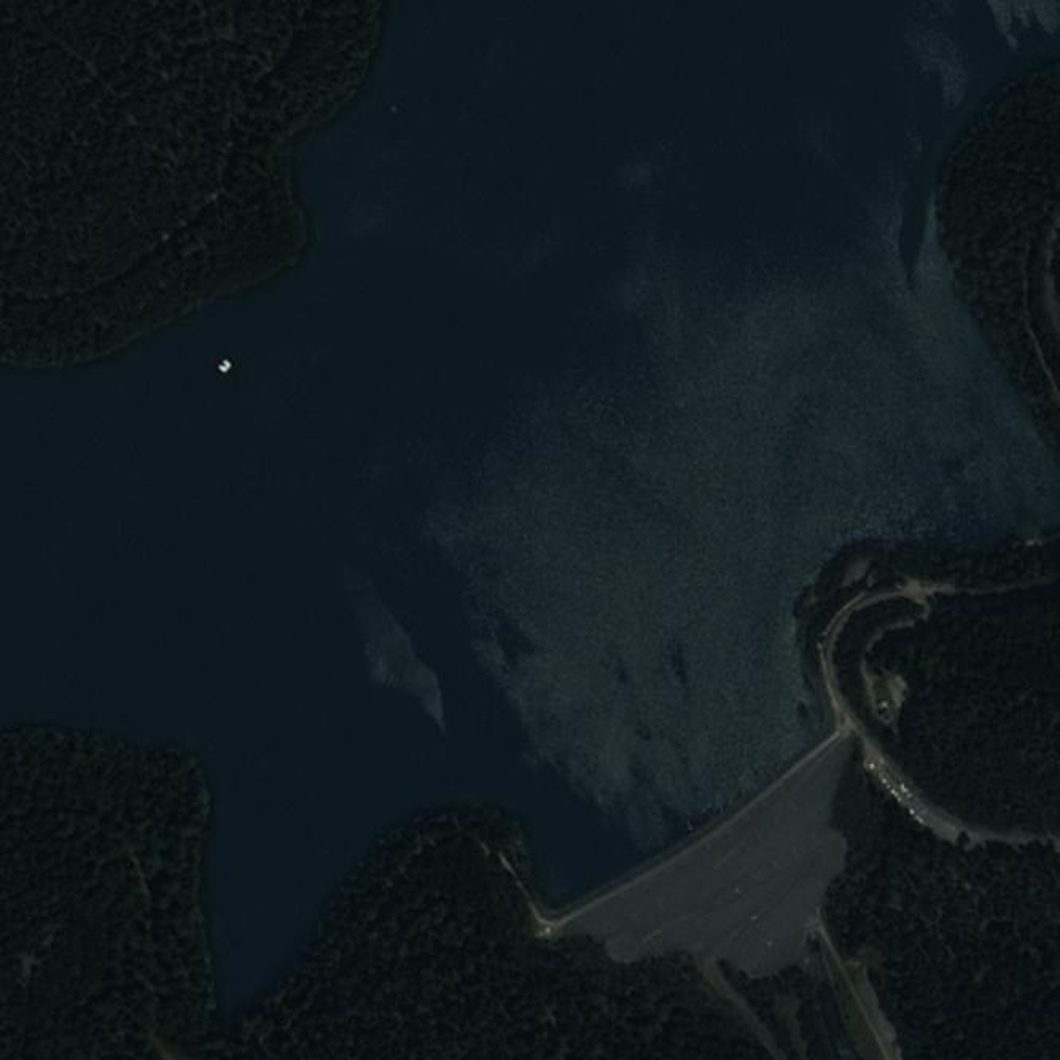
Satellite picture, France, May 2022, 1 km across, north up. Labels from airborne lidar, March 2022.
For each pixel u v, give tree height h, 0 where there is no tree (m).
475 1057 11
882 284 0
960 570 23
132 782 15
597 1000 22
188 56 14
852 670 10
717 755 0
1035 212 17
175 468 0
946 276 0
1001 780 10
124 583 0
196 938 21
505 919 15
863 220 0
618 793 0
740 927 0
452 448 0
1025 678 17
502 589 0
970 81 0
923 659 21
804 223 0
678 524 0
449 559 0
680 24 0
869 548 11
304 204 0
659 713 0
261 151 33
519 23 0
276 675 0
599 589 0
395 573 0
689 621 0
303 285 0
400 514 0
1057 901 29
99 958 17
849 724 0
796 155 0
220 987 0
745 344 0
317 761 0
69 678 0
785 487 0
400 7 0
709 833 0
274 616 0
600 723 0
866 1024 0
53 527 0
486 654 0
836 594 10
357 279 0
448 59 0
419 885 26
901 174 0
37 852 11
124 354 0
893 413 0
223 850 0
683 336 0
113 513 0
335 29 36
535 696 0
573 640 0
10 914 11
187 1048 21
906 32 0
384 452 0
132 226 25
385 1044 29
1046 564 22
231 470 0
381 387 0
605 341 0
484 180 0
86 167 14
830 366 0
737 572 0
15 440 0
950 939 23
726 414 0
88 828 15
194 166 29
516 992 26
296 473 0
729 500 0
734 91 0
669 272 0
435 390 0
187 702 0
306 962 30
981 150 22
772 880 0
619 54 0
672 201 0
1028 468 0
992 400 0
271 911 0
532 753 0
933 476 0
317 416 0
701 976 7
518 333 0
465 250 0
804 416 0
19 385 0
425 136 0
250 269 12
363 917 14
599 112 0
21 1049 13
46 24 23
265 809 0
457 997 20
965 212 19
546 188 0
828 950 0
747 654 0
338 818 0
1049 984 22
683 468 0
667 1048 27
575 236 0
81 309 22
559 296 0
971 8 0
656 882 0
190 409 0
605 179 0
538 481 0
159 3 17
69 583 0
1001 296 31
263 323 0
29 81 24
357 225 0
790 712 0
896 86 0
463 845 20
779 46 0
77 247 12
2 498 0
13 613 0
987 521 0
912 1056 12
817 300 0
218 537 0
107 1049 25
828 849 0
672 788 0
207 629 0
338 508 0
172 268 25
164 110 14
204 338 0
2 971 13
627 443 0
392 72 0
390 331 0
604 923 0
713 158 0
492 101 0
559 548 0
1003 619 22
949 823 0
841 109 0
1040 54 0
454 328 0
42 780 17
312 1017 19
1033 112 18
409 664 0
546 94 0
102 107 9
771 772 0
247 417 0
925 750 25
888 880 12
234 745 0
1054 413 20
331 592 0
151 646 0
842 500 0
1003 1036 27
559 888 0
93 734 15
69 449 0
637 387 0
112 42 23
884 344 0
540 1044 7
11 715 0
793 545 0
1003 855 33
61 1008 12
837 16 0
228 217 9
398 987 28
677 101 0
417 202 0
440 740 0
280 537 0
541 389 0
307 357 0
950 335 0
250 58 16
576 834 0
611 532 0
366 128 0
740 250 0
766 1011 14
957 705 27
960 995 30
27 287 18
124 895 22
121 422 0
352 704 0
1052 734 8
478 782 0
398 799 0
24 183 9
